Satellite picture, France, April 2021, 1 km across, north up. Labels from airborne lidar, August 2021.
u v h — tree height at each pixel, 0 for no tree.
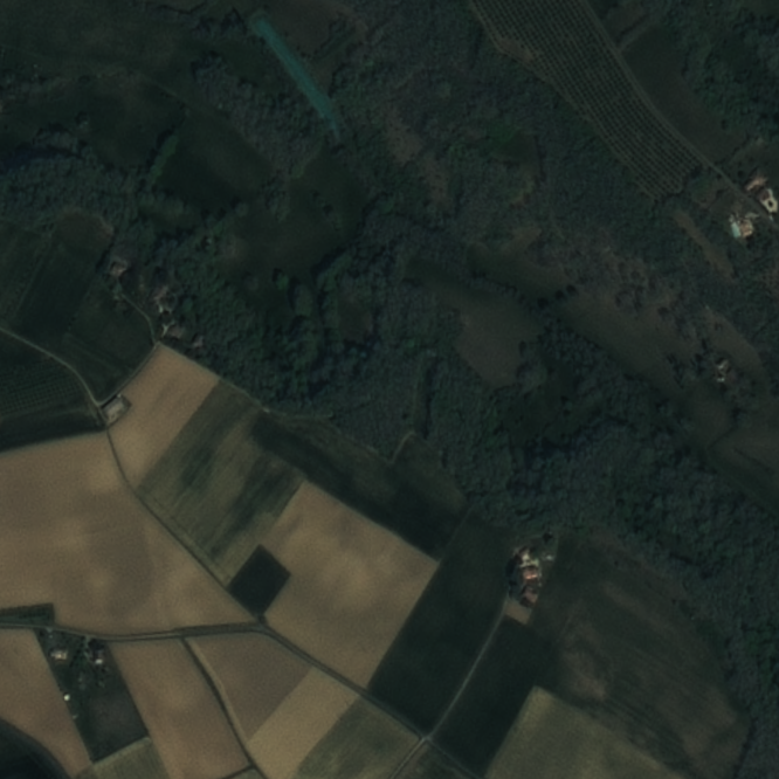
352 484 0
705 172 14
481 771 0
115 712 0
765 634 20
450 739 0
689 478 15
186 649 0
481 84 11
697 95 11
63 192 20
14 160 0
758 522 20
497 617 0
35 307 0
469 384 25
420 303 21
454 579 0
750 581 22
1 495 0
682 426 15
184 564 0
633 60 0
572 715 0
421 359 20
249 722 0
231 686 0
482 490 16
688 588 13
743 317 11
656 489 9
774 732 18
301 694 0
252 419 0
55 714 0
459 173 9
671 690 0
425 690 0
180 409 0
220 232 16
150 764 0
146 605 0
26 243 0
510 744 0
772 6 0
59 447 0
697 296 18
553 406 0
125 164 0
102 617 0
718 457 0
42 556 0
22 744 0
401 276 19
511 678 0
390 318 23
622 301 17
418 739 0
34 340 0
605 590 0
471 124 7
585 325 0
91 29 0
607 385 17
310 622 0
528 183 20
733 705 0
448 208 7
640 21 7
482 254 0
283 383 10
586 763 0
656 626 0
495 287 16
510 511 18
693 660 0
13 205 13
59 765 0
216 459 0
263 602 0
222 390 0
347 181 0
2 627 0
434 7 12
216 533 0
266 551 0
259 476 0
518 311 0
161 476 0
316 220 0
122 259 6
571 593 0
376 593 0
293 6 0
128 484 0
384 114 8
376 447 11
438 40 10
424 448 0
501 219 7
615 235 12
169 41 0
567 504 19
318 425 0
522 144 0
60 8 0
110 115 0
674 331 0
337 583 0
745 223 0
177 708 0
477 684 0
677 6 21
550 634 0
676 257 15
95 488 0
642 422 20
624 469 12
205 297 20
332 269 21
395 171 7
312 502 0
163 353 0
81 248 0
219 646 0
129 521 0
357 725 0
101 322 0
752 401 18
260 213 0
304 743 0
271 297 0
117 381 0
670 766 0
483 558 0
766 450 0
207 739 0
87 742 0
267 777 0
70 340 0
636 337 0
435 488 0
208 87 18
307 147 21
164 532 0
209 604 0
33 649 0
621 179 16
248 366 24
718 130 0
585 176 18
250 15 0
